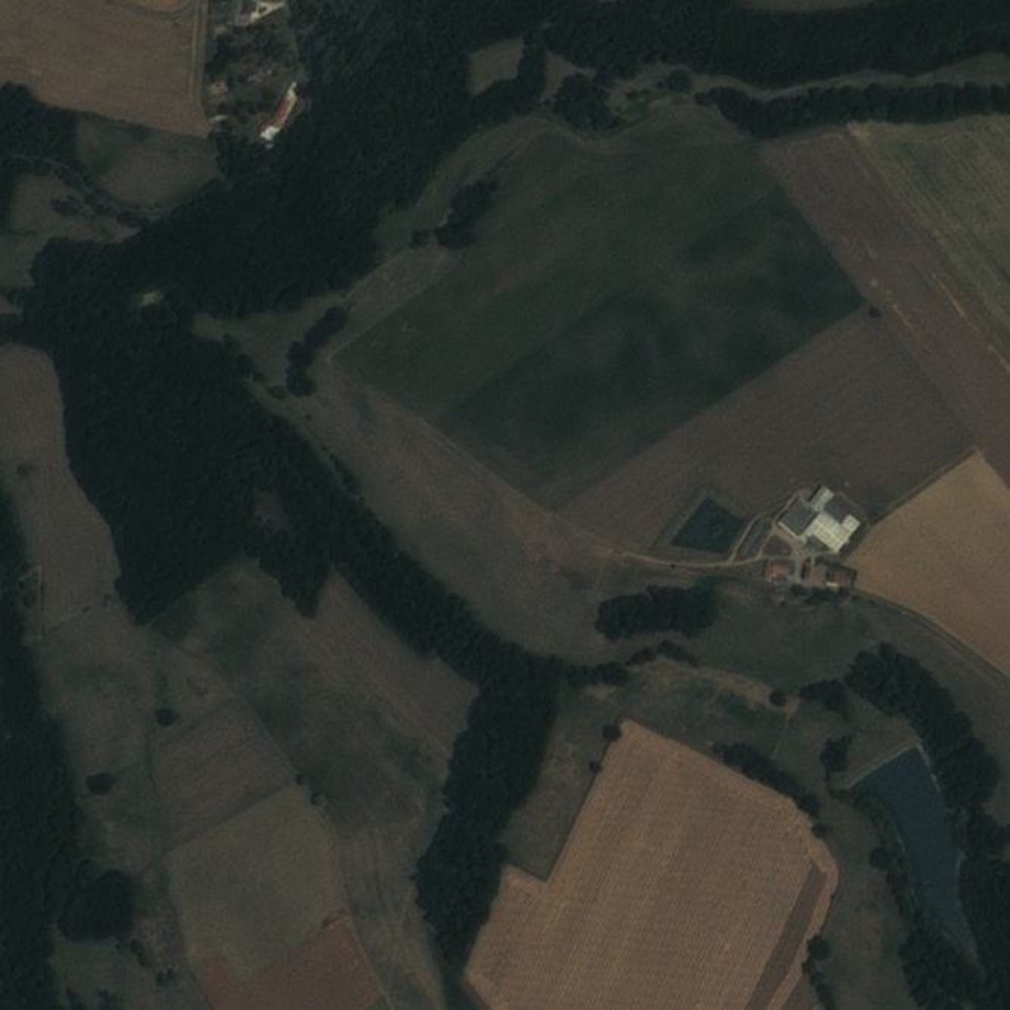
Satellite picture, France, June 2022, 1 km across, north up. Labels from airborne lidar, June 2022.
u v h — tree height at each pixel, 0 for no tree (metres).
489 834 16
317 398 0
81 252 15
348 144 10
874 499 0
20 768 15
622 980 0
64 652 0
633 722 0
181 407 13
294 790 0
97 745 0
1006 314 0
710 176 0
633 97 16
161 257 12
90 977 0
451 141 17
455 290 0
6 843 17
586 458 0
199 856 0
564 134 0
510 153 0
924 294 0
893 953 0
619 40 17
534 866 0
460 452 0
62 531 0
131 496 12
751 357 0
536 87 20
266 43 9
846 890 0
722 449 0
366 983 0
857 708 0
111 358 22
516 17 17
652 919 0
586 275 0
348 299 0
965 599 0
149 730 0
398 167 15
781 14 6
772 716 0
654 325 0
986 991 14
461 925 11
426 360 0
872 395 0
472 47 12
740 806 0
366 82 16
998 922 22
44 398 0
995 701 0
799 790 13
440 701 0
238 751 0
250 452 19
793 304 0
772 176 0
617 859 0
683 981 0
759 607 0
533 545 0
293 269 19
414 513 0
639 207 0
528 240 0
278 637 0
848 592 13
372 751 0
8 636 18
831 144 0
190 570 14
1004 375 0
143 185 0
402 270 0
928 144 0
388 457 0
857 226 0
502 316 0
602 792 0
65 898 22
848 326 0
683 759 0
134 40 0
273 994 0
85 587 0
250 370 23
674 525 0
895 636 0
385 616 8
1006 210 0
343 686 0
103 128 0
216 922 0
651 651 13
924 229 0
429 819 0
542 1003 0
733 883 0
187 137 0
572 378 0
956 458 0
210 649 0
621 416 0
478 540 0
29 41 0
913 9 8
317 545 9
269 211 16
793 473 0
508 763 28
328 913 0
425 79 15
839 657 0
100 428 14
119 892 21
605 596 0
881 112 18
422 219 0
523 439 0
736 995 0
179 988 0
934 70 10
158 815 0
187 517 12
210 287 17
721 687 0
